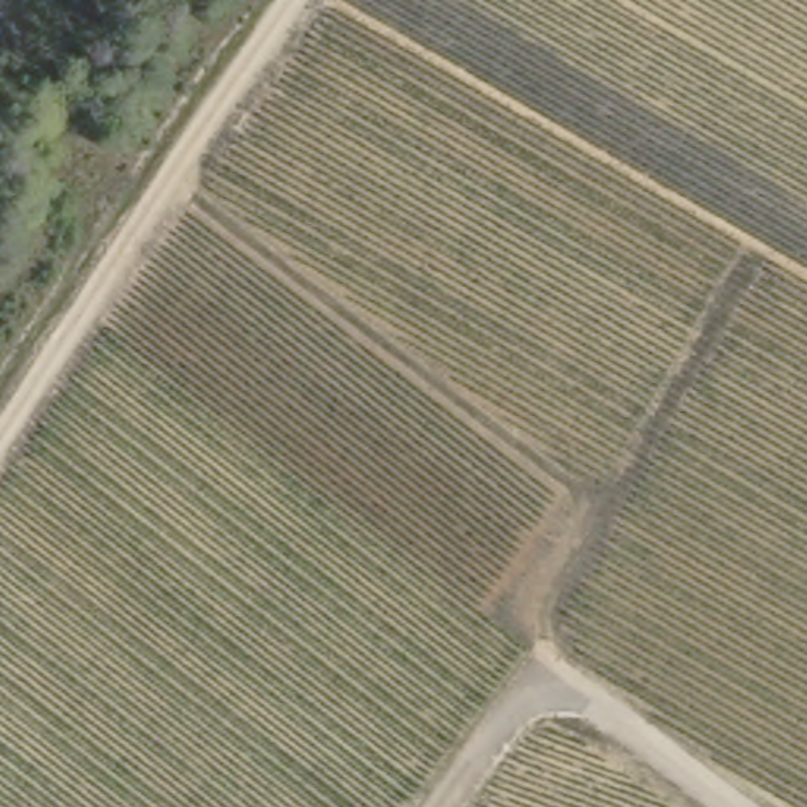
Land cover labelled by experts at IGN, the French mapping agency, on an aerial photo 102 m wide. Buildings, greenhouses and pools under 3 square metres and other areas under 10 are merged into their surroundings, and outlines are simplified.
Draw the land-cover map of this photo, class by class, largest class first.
<instances>
[{"label":"vineyard","instance_id":"1","mask_svg":"<svg viewBox=\"0 0 807 807\"><path fill-rule=\"evenodd\" d=\"M186 214L167 208L158 218L148 240L139 246L132 265L123 271L120 287L98 312L95 328L82 337L66 369L57 375V385L35 407L32 422L16 438L0 470V807H422L426 794L451 769L457 750L479 728L489 703L508 694V675L514 662L545 640H552L571 665L621 690L624 703L637 716H643L649 725L675 738L690 757L719 766L734 779L753 782L757 788L772 791L775 798L794 807H807V0H337L334 9H322L309 16L303 25H293L281 50L262 66L246 95L230 107L218 136L208 142L199 161V186L192 199L183 205ZM470 807H706L662 769H656L649 760H643L630 744L599 731L596 725L583 719H539L485 779Z\"/></svg>","mask_w":807,"mask_h":807},{"label":"coniferous trees","instance_id":"2","mask_svg":"<svg viewBox=\"0 0 807 807\"><path fill-rule=\"evenodd\" d=\"M218 0H0V356L6 353V344L25 318V312L41 299L44 287L50 284L60 255L73 249V221L63 218V208L69 202L60 192V180H50L69 161L66 142L79 132L91 142H101L107 136H117L123 123L145 129L151 120V104L173 95V66L167 54L177 47L183 35H189L195 16L208 13V6Z\"/></svg>","mask_w":807,"mask_h":807},{"label":"pervious surface","instance_id":"3","mask_svg":"<svg viewBox=\"0 0 807 807\"><path fill-rule=\"evenodd\" d=\"M337 0H274L258 19L249 41L233 57V63L224 69L218 85L205 95L195 117L167 151L142 199L123 218L120 230L107 240V249L79 287L73 306L57 318V325L32 356L13 397L0 410V470L16 438L32 422L35 407L57 385V375L66 369L82 337L95 328L98 312L120 287L123 271L132 265L139 246L148 240L158 218L167 208L186 214L183 205L192 199L199 186V161L208 142L218 136L230 107L246 95L262 66L281 50L293 25H303L309 16L322 9H334ZM539 719H583L596 725L599 731L630 744L643 760H649L656 769H662L706 807H794L775 798L772 791L757 788L753 782L734 779L719 766L690 757L675 738L649 725L643 716H637L624 703L621 690L571 665L552 640H545L514 662L508 675V694L489 703L479 728L457 750L451 769L426 794L422 807H470L485 779Z\"/></svg>","mask_w":807,"mask_h":807},{"label":"herbaceous vegetation","instance_id":"4","mask_svg":"<svg viewBox=\"0 0 807 807\"><path fill-rule=\"evenodd\" d=\"M274 0H218L208 6V13L195 16L189 35H183L177 47L167 54L173 66V95L151 104V120L145 129L123 123L117 136H107L101 142H91L79 132L66 142L69 161L50 180H60V192L69 202L63 208V218L73 221V249L60 255L50 284L44 287L41 299L25 312V318L6 344V353L0 356V410L13 397L32 356L57 325V318L73 306L79 287L107 249V240L120 230L123 218L142 199L167 151L195 117L205 95L218 85L224 69L233 63V57L249 41L258 19Z\"/></svg>","mask_w":807,"mask_h":807}]
</instances>
